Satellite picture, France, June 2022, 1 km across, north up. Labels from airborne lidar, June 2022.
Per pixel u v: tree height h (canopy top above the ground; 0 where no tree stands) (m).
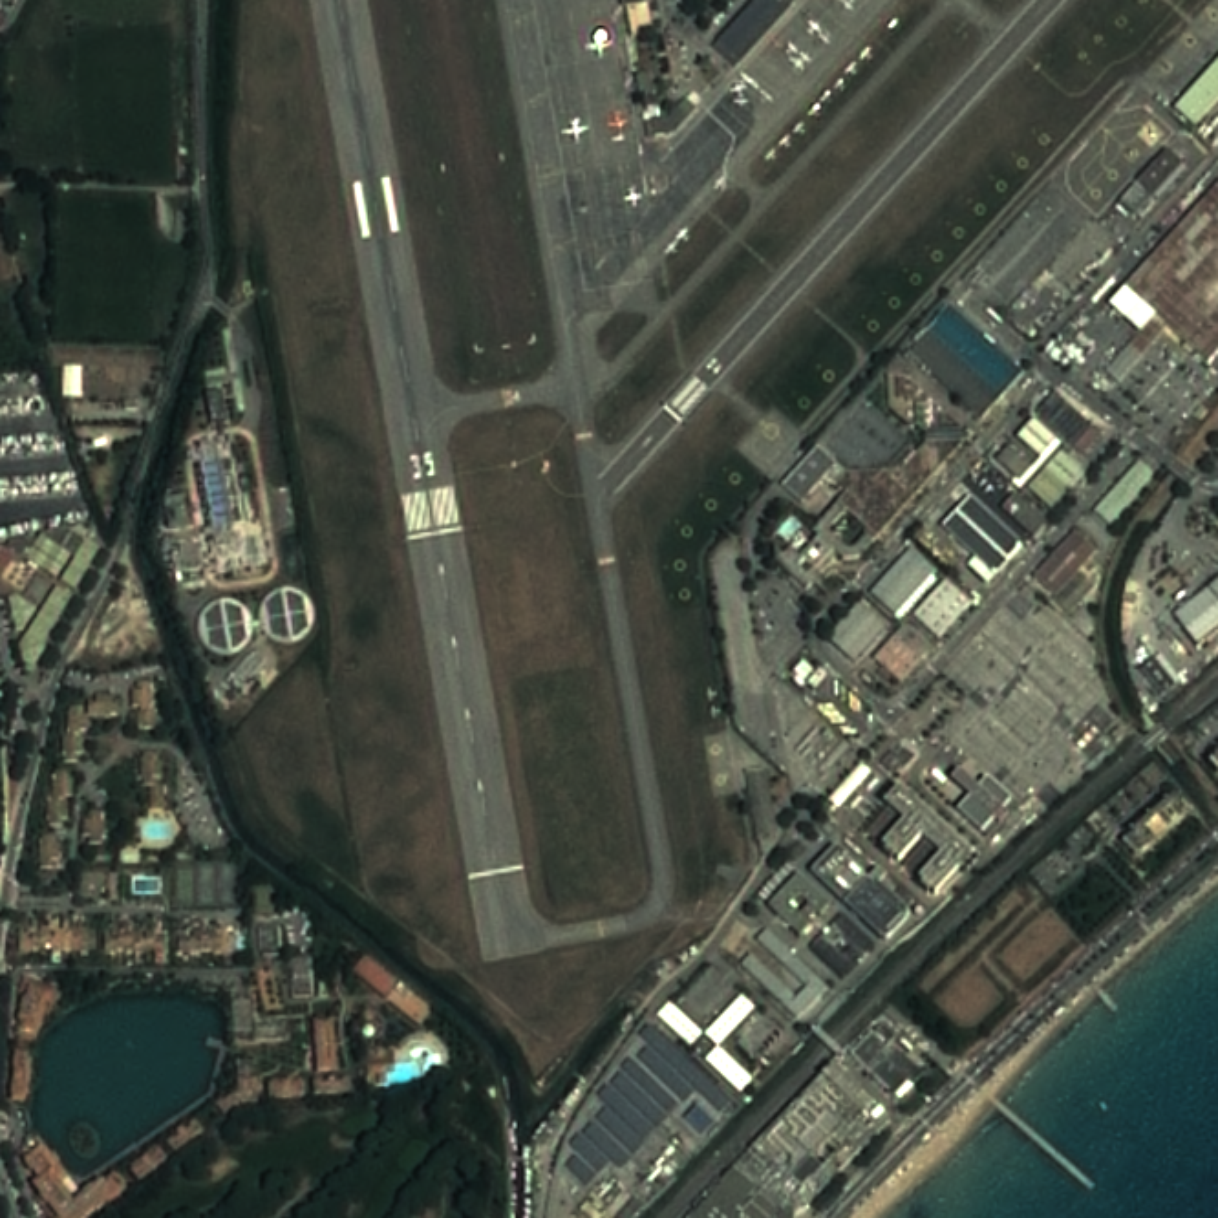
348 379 0
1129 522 11
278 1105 12
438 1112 17
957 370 0
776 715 0
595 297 0
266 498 0
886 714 0
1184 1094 0
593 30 0
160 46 0
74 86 0
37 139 0
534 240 0
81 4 0
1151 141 0
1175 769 0
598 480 0
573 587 0
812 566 0
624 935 0
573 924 0
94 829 0
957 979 0
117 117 0
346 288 0
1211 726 0
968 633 0
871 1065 0
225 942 0
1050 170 0
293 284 0
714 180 0
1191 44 0
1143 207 0
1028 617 0
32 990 0
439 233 0
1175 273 0
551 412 0
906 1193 0
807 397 0
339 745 0
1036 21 0
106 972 9
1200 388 0
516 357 0
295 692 0
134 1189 15
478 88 0
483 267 0
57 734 6
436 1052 0
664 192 0
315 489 0
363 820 0
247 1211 14
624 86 0
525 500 0
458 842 0
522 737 0
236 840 7
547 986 0
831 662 0
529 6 0
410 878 0
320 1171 0
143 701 0
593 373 0
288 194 0
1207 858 10
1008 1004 0
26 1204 9
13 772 10
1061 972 0
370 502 0
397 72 0
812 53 0
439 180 0
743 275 0
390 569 0
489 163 0
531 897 0
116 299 0
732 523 10
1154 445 0
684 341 0
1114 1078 0
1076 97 0
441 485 0
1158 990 0
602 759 0
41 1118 0
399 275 0
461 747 0
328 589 0
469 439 0
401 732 0
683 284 0
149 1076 0
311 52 0
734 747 0
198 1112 7
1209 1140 0
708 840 0
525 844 0
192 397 8
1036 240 0
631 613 0
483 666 0
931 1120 0
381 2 0
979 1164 0
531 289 0
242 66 0
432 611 0
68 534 0
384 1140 16
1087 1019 0
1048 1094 0
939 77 0
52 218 10
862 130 0
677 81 0
